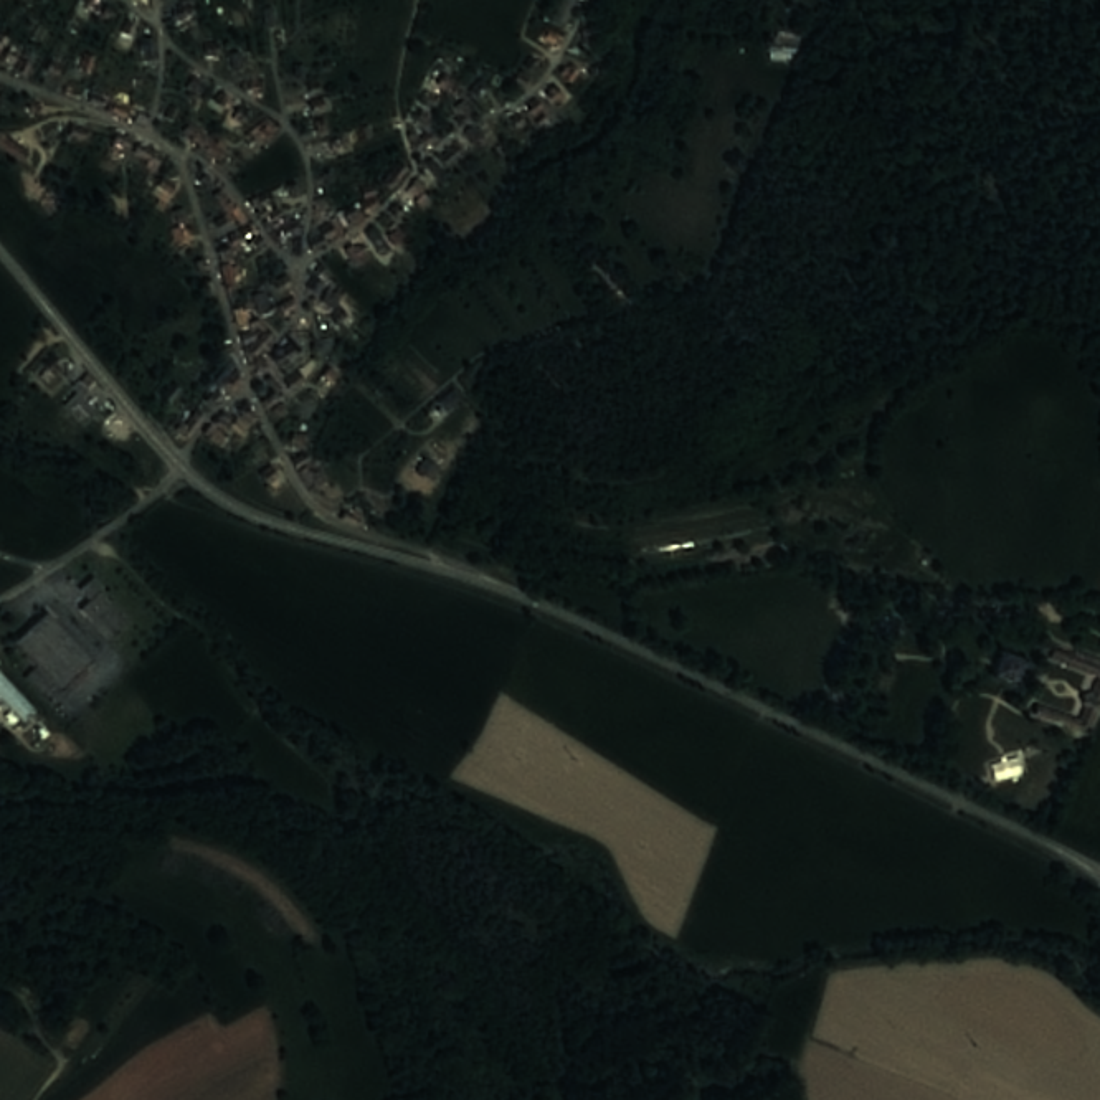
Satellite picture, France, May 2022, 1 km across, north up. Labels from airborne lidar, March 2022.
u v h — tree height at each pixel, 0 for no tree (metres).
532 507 18
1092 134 26
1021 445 0
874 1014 0
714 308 17
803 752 0
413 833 8
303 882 22
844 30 19
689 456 14
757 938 0
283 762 0
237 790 18
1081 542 0
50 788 16
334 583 0
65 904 8
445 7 0
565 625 0
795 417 18
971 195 19
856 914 0
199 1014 0
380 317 15
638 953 20
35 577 0
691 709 0
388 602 0
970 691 22
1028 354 0
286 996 0
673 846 0
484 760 0
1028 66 23
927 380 26
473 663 0
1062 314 26
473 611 0
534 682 0
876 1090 0
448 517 20
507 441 10
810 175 17
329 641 0
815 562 16
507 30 0
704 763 0
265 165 0
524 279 0
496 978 20
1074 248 18
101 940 6
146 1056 0
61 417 0
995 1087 0
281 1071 0
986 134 6
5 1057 0
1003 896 0
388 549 0
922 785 0
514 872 12
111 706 0
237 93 0
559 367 16
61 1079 0
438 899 12
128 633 0
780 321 18
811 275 25
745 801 0
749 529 0
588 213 0
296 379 0
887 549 0
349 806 21
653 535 0
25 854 19
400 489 14
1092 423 0
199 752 11
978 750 0
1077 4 22
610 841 0
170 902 0
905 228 24
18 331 0
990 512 0
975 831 0
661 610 0
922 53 24
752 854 0
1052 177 28
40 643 0
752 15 15
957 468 0
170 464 0
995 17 16
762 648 0
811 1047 0
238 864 0
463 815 17
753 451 11
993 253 29
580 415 16
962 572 0
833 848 0
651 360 17
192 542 0
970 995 0
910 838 0
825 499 0
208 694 0
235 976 0
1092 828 0
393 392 9
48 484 0
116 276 0
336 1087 0
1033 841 0
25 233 0
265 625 0
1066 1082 0
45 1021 11
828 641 0
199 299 11
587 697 0
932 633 24
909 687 0
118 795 18
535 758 0
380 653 0
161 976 10
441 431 0
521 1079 22
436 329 0
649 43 17
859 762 0
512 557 19
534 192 18
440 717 0
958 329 27
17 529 0
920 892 0
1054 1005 0
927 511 0
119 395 0
